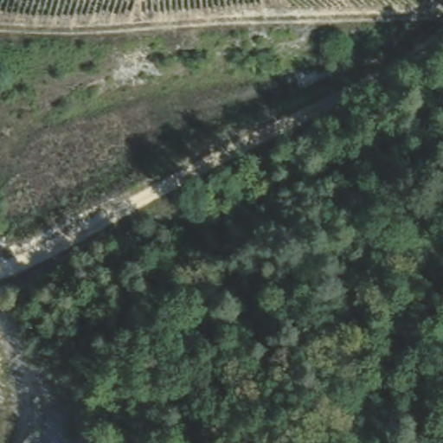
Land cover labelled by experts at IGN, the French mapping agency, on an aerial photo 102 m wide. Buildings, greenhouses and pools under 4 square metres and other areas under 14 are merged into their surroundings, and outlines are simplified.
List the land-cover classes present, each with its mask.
<instances>
[{"label":"deciduous trees","instance_id":"1","mask_svg":"<svg viewBox=\"0 0 443 443\"><path fill-rule=\"evenodd\" d=\"M353 40L348 35L339 33L325 42L324 52L331 61L343 62L351 55ZM443 152V38L438 36L436 42L427 47L426 55L421 59H405L401 66L400 80L396 83H382L379 78L350 83L348 87L343 88L341 97L336 95L332 100L327 118L317 116L311 119L305 137L292 142L284 140V144L272 142L266 145L258 156L249 157V163L241 166L239 173L227 170L211 171L208 177L190 180L187 189L182 185L163 196L173 208L171 218H157L156 221L130 220L133 227L125 225L128 228L126 237L109 234L97 244L92 241L85 246L76 247L69 251L64 260L50 265L47 272L36 275L35 279L17 284L14 287V291L17 292L16 305L10 310H0V334L7 341H31L35 337L38 343L43 337H50L52 334L73 336L71 339L74 343L80 344L81 348H87L90 344L97 348L99 353L95 355V362L92 363L90 379L95 391L87 400L88 407L93 408L92 414L88 417L92 431L83 436V443H294L298 436L296 427L306 431V415L317 410L322 398H329L331 405L341 408L353 417L351 429L339 431L336 427H327L325 443H398L403 417L414 419L415 434L419 438H422L424 433L436 436L443 434V201L434 208L431 215L424 218L417 215L414 209L405 211L401 201L412 196L414 190H424L426 183L431 180V171L426 161H434L436 154ZM299 182L305 183L311 189L320 187V196H334L332 202L337 209L346 211V223L355 228L353 241L358 244V249H362L363 254L358 260L348 261L344 265L346 270L343 273H337V279L343 282L346 291L343 308L332 310V320L329 322L310 325L308 331L298 337V343L308 346L315 339L331 337L341 324H348L362 329V346L353 353L337 351L334 372L329 376H324L322 369H315V379L318 382H327V389L306 388L301 384H294L292 389H286L284 381H279L268 396H258L253 400L247 395L239 396L237 401L228 405L225 424L211 431V427L204 426L201 419H194L192 401L199 400L204 395L202 386H208L211 382V358L216 355L213 346L220 344L223 339V322L237 318L239 325L253 331V336L258 337L260 344L268 337H279L284 325L280 324L279 318L273 315L272 310L279 308L284 303V298L291 299L299 286H308L317 291L318 286L329 282V273H325L324 270L327 258L324 253H305L298 265H291L287 261L279 263L270 256H253V270H246L244 265L235 270H223L218 284H213L209 279L178 284L175 282V273L178 266L197 270L201 263L215 265L216 261H221L227 249L241 244V232H246L254 223L265 221L270 213L282 211L284 204L279 202L280 192L291 189ZM374 286L379 287L388 303L382 311H370L369 303H365V292Z\"/></svg>","mask_w":443,"mask_h":443},{"label":"herbaceous vegetation","instance_id":"2","mask_svg":"<svg viewBox=\"0 0 443 443\"><path fill-rule=\"evenodd\" d=\"M142 2L145 0H135L133 9L125 14H114L104 10L97 14L74 16H29L0 10V33L26 36H85L128 35L145 31H171L209 26H315L308 38V59L292 61L289 71L272 76L268 81L216 83L202 90H178L168 95H156V88L140 80L137 73L142 71L159 76V69L154 62L147 61L145 52L135 50L119 57V67L112 73L114 80H130V85H123L114 90L99 93L97 87L78 85L73 73L52 78L48 74V66L36 64L29 78L22 80L21 83H14L12 87L0 92V258H12V244H22L33 235L42 234L43 230L59 227L62 221L66 220L67 211L76 209L80 213L81 209L92 206L93 202L102 201L114 194H137L140 190L151 187L145 178L151 180L154 175L168 178L182 168L187 170V173H192L194 164L209 156L211 152H220V159L235 149H241L246 154L239 159V164H228L227 170L239 173L241 166L249 163V157L258 156L266 145L272 142L284 144V140L292 142L305 137L311 119L317 116L327 118L332 100L336 95L341 97L343 88L348 87L350 83L379 78L382 83H396L400 80L401 66L405 59H421L426 55L427 47L436 42L438 36L443 38V16L426 21H410L405 12L398 14L393 7H384L382 12L374 7L275 10L266 9V0H260V3H242L228 7L166 10L157 12L154 17H147L142 10ZM339 33L348 35L353 40L351 55L343 62L331 61L324 52L325 42ZM173 208L163 196H157V199L145 204L144 208L135 209L130 215L119 218L116 223L109 221L106 227L100 228L88 239H81L80 235H76L73 242L64 239L61 244H55L47 260L35 263L29 258L21 272L9 277H0V310H10L16 305L17 292L14 291V287L17 284L35 279L36 275L47 272L50 265L64 260L69 251L76 247L85 246L92 241L97 244L109 234L126 237L128 228L125 225L133 227L130 220L156 221L157 218H171ZM73 336L52 334L50 337H43L38 343L35 337L31 341H7L0 334V443H83V436L92 431L88 417L92 414L93 408L88 407L87 400L95 391L90 379L92 363L95 362V355L99 353L97 348L90 344L87 348H81L80 344L74 343L71 339Z\"/></svg>","mask_w":443,"mask_h":443},{"label":"coniferous trees","instance_id":"3","mask_svg":"<svg viewBox=\"0 0 443 443\"><path fill-rule=\"evenodd\" d=\"M431 171V180L426 183L424 190H414L412 196L401 201L405 211L414 209L417 215L424 218L431 215L434 208L443 201V152L436 154L434 161H426ZM334 196H320V187L311 189L305 183L299 182L291 189L280 192L279 202L284 204L282 211L270 213L265 221L254 223L246 232H241V244L227 249L221 261H216L215 265L201 263L197 270L178 266L175 273V282L178 284L209 279L213 284H218L223 270H235L244 265L246 270H253V256H270L279 263L287 261L291 265H298L305 253H324L327 258L324 270L325 273H329V282L318 286L317 291L308 286H299L291 299L284 298V303L279 308L272 310L273 315L279 318L280 324L284 325L279 337H268L260 344L258 337L253 336V331L239 325L237 318L223 322V339L220 344L213 346L216 355L211 358V382L208 386H202L204 395L199 400L192 401L194 419H201L204 426L211 427V431L225 424L228 405L237 401L239 396L247 395L253 400L258 396H268L279 381H284L286 389H292L294 384H301L306 388L327 389V382H318L315 379V369H322L324 376H329L334 372L337 351L353 353L362 346V329L348 324H341L331 337L315 339L308 346L298 343V337L308 331L310 325L329 322L332 320V310L343 308L346 291L343 282L337 279V273H343L346 270L344 265L348 261L358 260L363 254L362 249H358V244L353 241L355 228L346 223V211L337 209L332 202ZM365 303H369L370 311H382L388 303L379 287L374 286L365 292ZM306 431L296 427L298 436L294 443H325L327 427H336L339 431L351 429L353 417L341 408L331 405L329 398H322L317 410L306 415ZM398 443H443V434L436 436L424 433L422 438H419L415 434L414 419L403 417Z\"/></svg>","mask_w":443,"mask_h":443},{"label":"brushwood","instance_id":"4","mask_svg":"<svg viewBox=\"0 0 443 443\"><path fill-rule=\"evenodd\" d=\"M315 26H209L171 31H145L128 35L85 36H26L0 33V92L12 87L14 83H21L22 80L29 78L36 64L48 66V74L52 78L73 73L78 85L97 87L99 93L114 90L123 85H130V80H114L112 73L119 67V57L135 50L145 52L147 61L154 62L159 69V76L142 71L137 73L140 80L156 88V95H168L178 90H202L216 83L268 81L272 76L289 71L292 61L308 59V38Z\"/></svg>","mask_w":443,"mask_h":443},{"label":"pervious surface","instance_id":"5","mask_svg":"<svg viewBox=\"0 0 443 443\"><path fill-rule=\"evenodd\" d=\"M246 154L241 149H235L220 159V152H211L209 156L194 164L192 173H187V170L182 168L168 178L154 175L151 180L145 178L151 187L140 190L137 194H114L102 201L93 202L92 206L81 209L80 213L76 209L67 211L66 220L62 221L59 227L43 230L42 234L33 235L22 244H12V258H0V277H9L21 272L29 258L35 263L47 260L55 244H61L64 239L73 242L76 235H80L81 239H88L100 228L106 227L109 221L116 223L119 218L130 215L135 209L144 208L145 204L157 199V196H163L182 185L187 189L190 180L208 177L211 171L227 170L228 164H239V159Z\"/></svg>","mask_w":443,"mask_h":443},{"label":"vineyard","instance_id":"6","mask_svg":"<svg viewBox=\"0 0 443 443\"><path fill-rule=\"evenodd\" d=\"M135 0H0V10L29 16H74L97 14L104 10L114 14H125L133 9ZM242 3H260V0H145L142 2V10L147 17H154L157 12L166 10L228 7ZM266 9L275 10L374 7L382 12L384 7H393L398 14L405 12L410 21H426L443 16V0H266Z\"/></svg>","mask_w":443,"mask_h":443}]
</instances>
